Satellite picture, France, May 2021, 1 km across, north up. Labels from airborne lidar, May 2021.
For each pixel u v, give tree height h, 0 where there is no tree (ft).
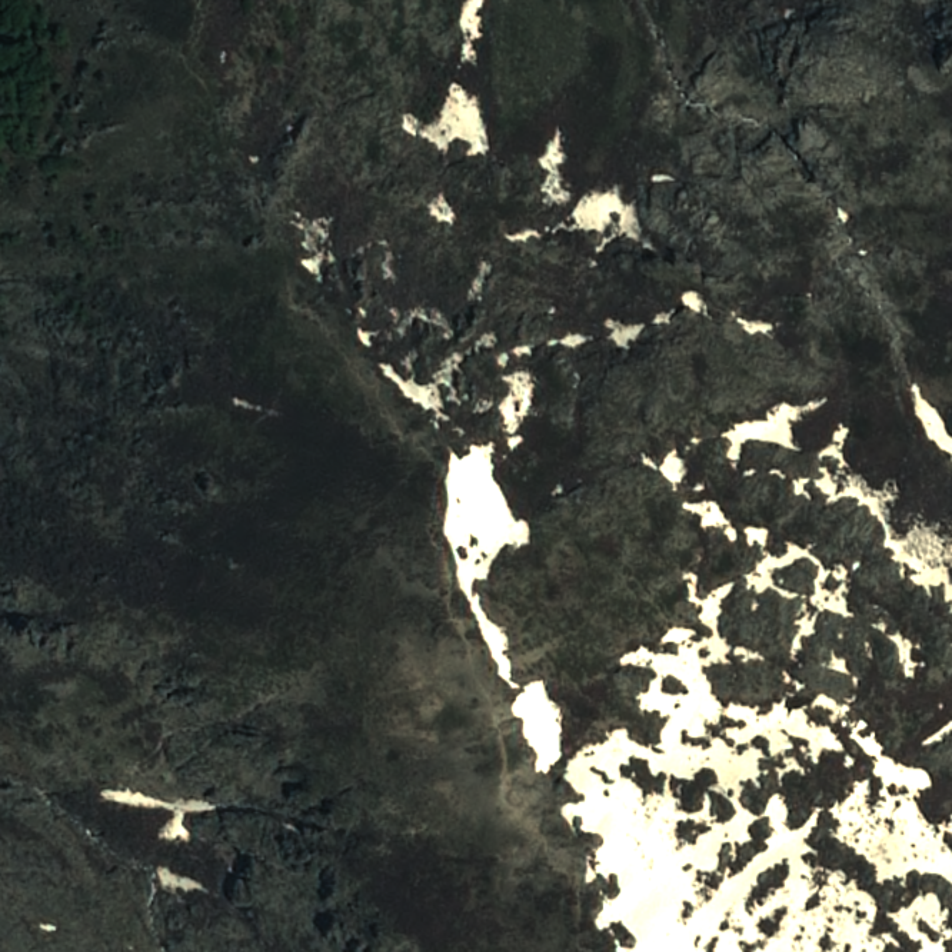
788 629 0
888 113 0
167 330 33
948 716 0
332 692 0
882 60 0
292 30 34
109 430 23
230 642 0
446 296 22
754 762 0
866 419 0
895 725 0
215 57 0
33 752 0
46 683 0
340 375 0
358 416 0
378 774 0
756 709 0
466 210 23
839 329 0
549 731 0
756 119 0
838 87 0
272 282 0
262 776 0
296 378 0
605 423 0
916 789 0
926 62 0
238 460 0
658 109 0
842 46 0
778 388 0
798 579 0
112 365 22
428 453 0
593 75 0
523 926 0
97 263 23
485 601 0
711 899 0
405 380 0
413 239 25
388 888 0
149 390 27
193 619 0
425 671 0
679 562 0
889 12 0
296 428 0
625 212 0
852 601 0
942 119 0
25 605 0
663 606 0
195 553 0
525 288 0
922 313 0
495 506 0
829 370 0
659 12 0
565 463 0
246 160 0
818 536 0
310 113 34
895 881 0
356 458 0
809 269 0
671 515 0
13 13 73
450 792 0
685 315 0
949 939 0
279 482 0
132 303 41
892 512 18
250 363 0
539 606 0
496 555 0
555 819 0
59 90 41
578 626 0
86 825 23
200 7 0
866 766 0
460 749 0
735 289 0
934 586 0
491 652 0
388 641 0
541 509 0
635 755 0
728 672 0
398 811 0
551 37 0
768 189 0
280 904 0
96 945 0
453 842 0
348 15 0
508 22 0
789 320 0
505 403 0
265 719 0
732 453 0
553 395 0
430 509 0
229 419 0
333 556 0
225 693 0
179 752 0
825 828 0
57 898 0
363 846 0
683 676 0
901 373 0
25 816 0
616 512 0
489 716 0
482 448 0
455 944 0
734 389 0
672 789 0
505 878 0
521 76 0
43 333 0
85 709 0
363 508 0
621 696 0
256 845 0
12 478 25
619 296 0
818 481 0
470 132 0
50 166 48
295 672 0
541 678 0
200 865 20
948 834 0
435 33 0
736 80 0
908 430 0
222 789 0
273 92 25
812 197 0
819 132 0
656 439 0
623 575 0
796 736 0
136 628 0
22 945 0
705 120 0
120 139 0
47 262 0
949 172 0
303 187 28
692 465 0
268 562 0
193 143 0
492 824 0
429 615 0
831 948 0
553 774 0
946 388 0
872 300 0
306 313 0
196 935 0
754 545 0
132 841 23
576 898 0
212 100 0
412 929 0
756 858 0
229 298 0
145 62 0
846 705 0
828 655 0
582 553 0
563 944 0
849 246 0
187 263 0
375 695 0
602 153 0
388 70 0
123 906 0
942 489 0
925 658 0
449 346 20
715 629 0
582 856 0
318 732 0
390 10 0
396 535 0
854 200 0
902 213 0
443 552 0
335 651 0
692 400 0
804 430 0
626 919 0
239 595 0
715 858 0
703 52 0
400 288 27
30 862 0
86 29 0
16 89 24
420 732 0
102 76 31
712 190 0
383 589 0
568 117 0
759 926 0
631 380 0
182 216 0
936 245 0
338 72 22
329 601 0
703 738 0
